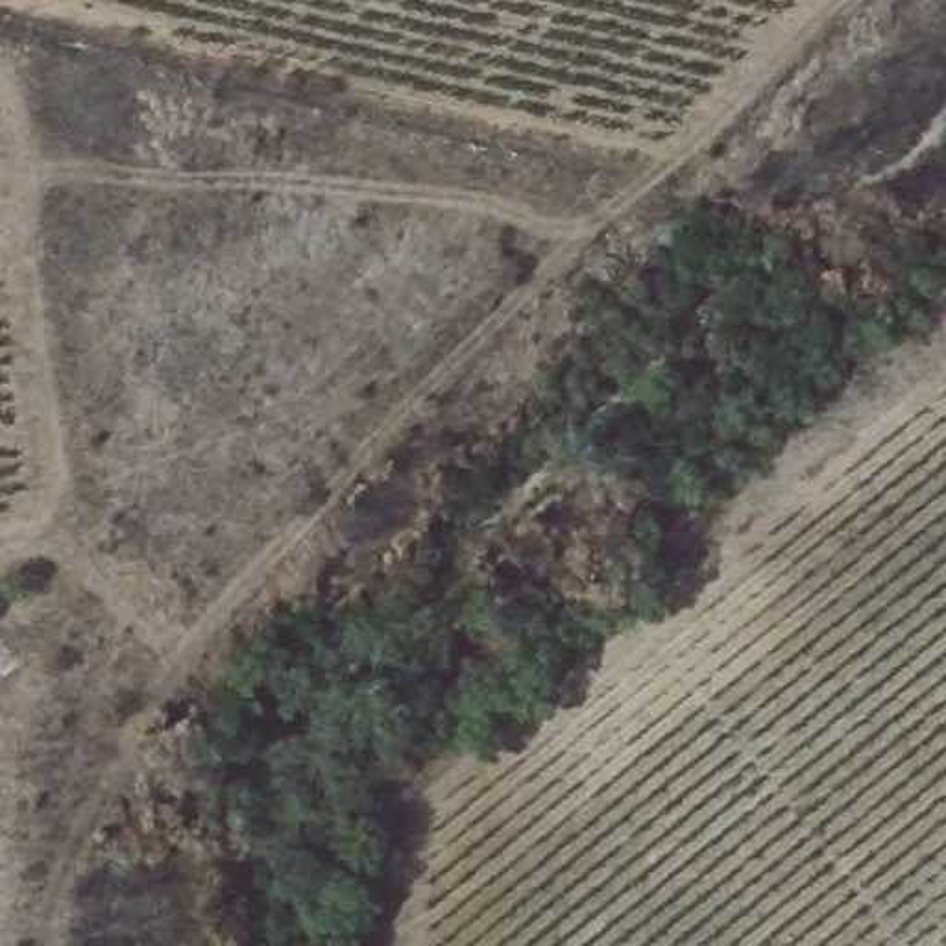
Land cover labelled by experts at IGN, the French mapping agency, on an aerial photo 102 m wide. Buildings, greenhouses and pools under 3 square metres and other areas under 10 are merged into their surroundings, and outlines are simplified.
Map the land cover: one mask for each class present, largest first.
<instances>
[{"label":"bare soil","instance_id":"1","mask_svg":"<svg viewBox=\"0 0 946 946\"><path fill-rule=\"evenodd\" d=\"M820 7L824 30L809 37L787 59V67L758 89V96L735 115L732 126L717 133L710 148L695 152L680 166L665 159H647L639 152L573 144L562 133H514L455 115L399 111L384 96L358 100L347 89V81L310 70H296L285 81L277 78L281 63L273 59H188L163 44H152V33L144 26L96 30L59 18L0 15V44H33L30 70L18 78V85L26 96L30 122L41 137V152L52 159V188L41 196L37 233L44 240L41 285L52 325L55 395L67 429V447L70 491L63 495L55 517L41 528V536L52 540V551L44 558L18 562L0 576V839H7V850L26 861L22 887L15 891L7 913V920L22 935L15 946H262L266 894L255 887V868L262 839L248 835V824L211 828L196 813V794L185 791L181 772H174V743L188 735V724L166 721V702L181 695L188 676H207L211 684L222 680L229 628L259 625L277 599L303 591L307 580L318 576L321 558L336 554L344 540H388L395 528H406L418 499V466L432 462L440 451L477 443V432H514L517 406L528 399V381L536 377L540 362H547L551 344L562 333H569L573 296L580 292V285L588 277L610 281L617 255L636 251L639 262H647L650 248L669 244L680 225H691L695 203L702 211L743 222L750 203L787 211L809 207L817 200L846 203L854 181H861L876 185V196L891 192L905 214H916L928 196L946 192V0H813ZM946 362V321L935 329L928 344L905 340L883 355H857V373L850 377V388L824 414L831 425H857L850 403H894L913 384H924Z\"/></svg>","mask_w":946,"mask_h":946},{"label":"vineyard","instance_id":"2","mask_svg":"<svg viewBox=\"0 0 946 946\"><path fill-rule=\"evenodd\" d=\"M0 15L59 18L96 30L144 26L152 33V44H163L188 59H273L281 63L277 78L285 81L296 70H310L347 81V89L358 100L384 96L399 111L455 115L514 133H562L573 144L639 152L647 159H665L680 166L695 152L710 148L717 133L732 126L735 115L758 96V89L787 67V59L809 37L824 30L820 7L813 0H0ZM33 44H0V514L11 510V499L18 491L41 488V473L52 466V455L67 447V429L55 395L52 325L41 285L44 240L37 233L41 196L52 188V159L41 152V137L30 122L26 96L18 85V78L30 70ZM857 425H831L824 414L813 429L787 440L772 477H750L746 488L717 517V551L702 558V576L710 584L695 595V602L665 621H639L606 639L602 665L588 680L584 706L558 710L551 721L540 724L525 750H506L495 761L458 754L429 765L432 783L425 791V802L432 817L429 843L421 846L425 865L395 916L392 946H946V362L924 384H913L894 403H850Z\"/></svg>","mask_w":946,"mask_h":946},{"label":"deciduous trees","instance_id":"3","mask_svg":"<svg viewBox=\"0 0 946 946\"><path fill-rule=\"evenodd\" d=\"M946 321V192L928 196L916 214H905L891 192L876 196V185L861 181H854L846 203L817 200L809 207L787 211L750 203L743 222L702 211L695 203L691 225H680L669 244L650 248L647 262H639L636 251L617 255L610 281L588 277L580 285V292L573 296L569 333H562L551 344L547 362H540L536 377L528 381V399L517 406L514 432H477V443L440 451L432 462L418 466V499L406 528H395L388 540H344L336 554L321 558L318 576L307 580L303 591L277 599L259 625L229 628L222 680L211 684L207 676H188L181 695L166 702V721L188 724V735L174 743V772H181L185 791L196 794V813L211 828L248 824V835L262 839L255 868V887L266 894L262 946H392L395 916L425 865L421 846L429 843L432 817L425 802V791L432 783L429 765L458 754L495 761L506 750H525L540 724L551 721L558 710L584 706L588 680L602 665L606 639L639 621H665L695 602V595L710 584L702 576V558L717 551V517L746 488L750 477H772L787 440L813 429L824 414L850 388V377L857 373V355H883L905 340L928 344L935 329Z\"/></svg>","mask_w":946,"mask_h":946},{"label":"agricultural land","instance_id":"4","mask_svg":"<svg viewBox=\"0 0 946 946\"><path fill-rule=\"evenodd\" d=\"M70 491L67 447L52 455V466L41 473V488L18 491L11 499V510L0 514V576L18 562L44 558L52 551V540L41 536V528L55 517L63 495ZM26 861L7 850V839H0V946H15L22 935L7 920V913L15 891L22 887Z\"/></svg>","mask_w":946,"mask_h":946}]
</instances>
